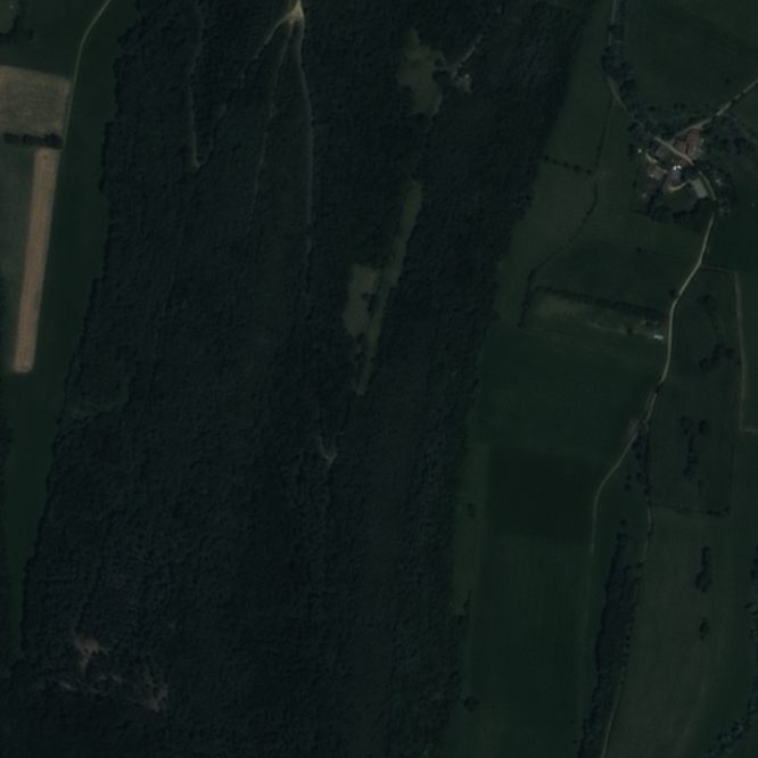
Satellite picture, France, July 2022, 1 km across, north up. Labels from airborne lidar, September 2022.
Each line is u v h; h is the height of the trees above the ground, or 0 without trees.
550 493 0
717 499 0
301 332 17
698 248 0
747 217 0
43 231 0
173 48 19
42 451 0
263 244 11
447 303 18
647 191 0
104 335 18
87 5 0
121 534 28
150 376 9
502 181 18
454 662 14
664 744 0
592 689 0
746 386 0
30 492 0
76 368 7
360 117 21
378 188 21
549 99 13
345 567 15
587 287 0
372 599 6
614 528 0
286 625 15
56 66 0
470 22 15
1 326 20
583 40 7
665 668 0
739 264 0
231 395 8
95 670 21
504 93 15
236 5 14
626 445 0
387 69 18
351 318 0
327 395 19
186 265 9
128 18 0
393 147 22
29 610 16
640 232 0
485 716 0
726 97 0
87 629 18
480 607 0
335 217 17
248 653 17
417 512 16
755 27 0
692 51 0
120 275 11
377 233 14
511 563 0
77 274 0
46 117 0
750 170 0
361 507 11
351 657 12
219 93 8
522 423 0
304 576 24
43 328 0
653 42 0
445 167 6
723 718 0
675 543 0
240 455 6
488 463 0
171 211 13
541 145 11
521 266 0
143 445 9
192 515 13
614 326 0
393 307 8
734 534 0
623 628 15
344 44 22
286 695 17
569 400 0
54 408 0
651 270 0
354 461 6
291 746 37
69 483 14
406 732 12
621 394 0
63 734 27
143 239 10
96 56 0
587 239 0
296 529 29
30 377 0
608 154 0
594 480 0
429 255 10
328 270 18
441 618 16
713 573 10
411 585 14
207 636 13
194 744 17
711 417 0
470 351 14
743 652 0
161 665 14
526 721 0
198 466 11
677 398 0
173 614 25
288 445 24
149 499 13
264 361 6
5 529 17
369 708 8
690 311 0
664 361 0
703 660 0
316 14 11
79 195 0
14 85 0
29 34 6
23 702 20
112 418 9
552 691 0
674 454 0
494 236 13
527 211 17
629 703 0
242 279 8
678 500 0
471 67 11
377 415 14
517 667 0
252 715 22
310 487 35
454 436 16
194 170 8
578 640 0
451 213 6
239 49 6
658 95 0
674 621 0
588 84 0
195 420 9
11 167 0
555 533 0
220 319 11
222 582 13
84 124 0
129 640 17
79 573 25
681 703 0
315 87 10
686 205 0
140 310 8
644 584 11
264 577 24
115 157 15
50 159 0
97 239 0
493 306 17
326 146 7
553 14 9
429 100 0
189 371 10
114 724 21
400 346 12
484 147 15
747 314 0
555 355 0
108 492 15
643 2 0
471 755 0
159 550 10
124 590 22
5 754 23
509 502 0
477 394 12
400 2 25
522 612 0
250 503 13
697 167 10
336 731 14
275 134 8
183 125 7
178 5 16
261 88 11
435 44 20
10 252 0
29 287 0
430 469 16
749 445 0
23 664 18
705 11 0
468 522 0
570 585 0
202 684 17
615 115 0
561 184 0
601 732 11
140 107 7
